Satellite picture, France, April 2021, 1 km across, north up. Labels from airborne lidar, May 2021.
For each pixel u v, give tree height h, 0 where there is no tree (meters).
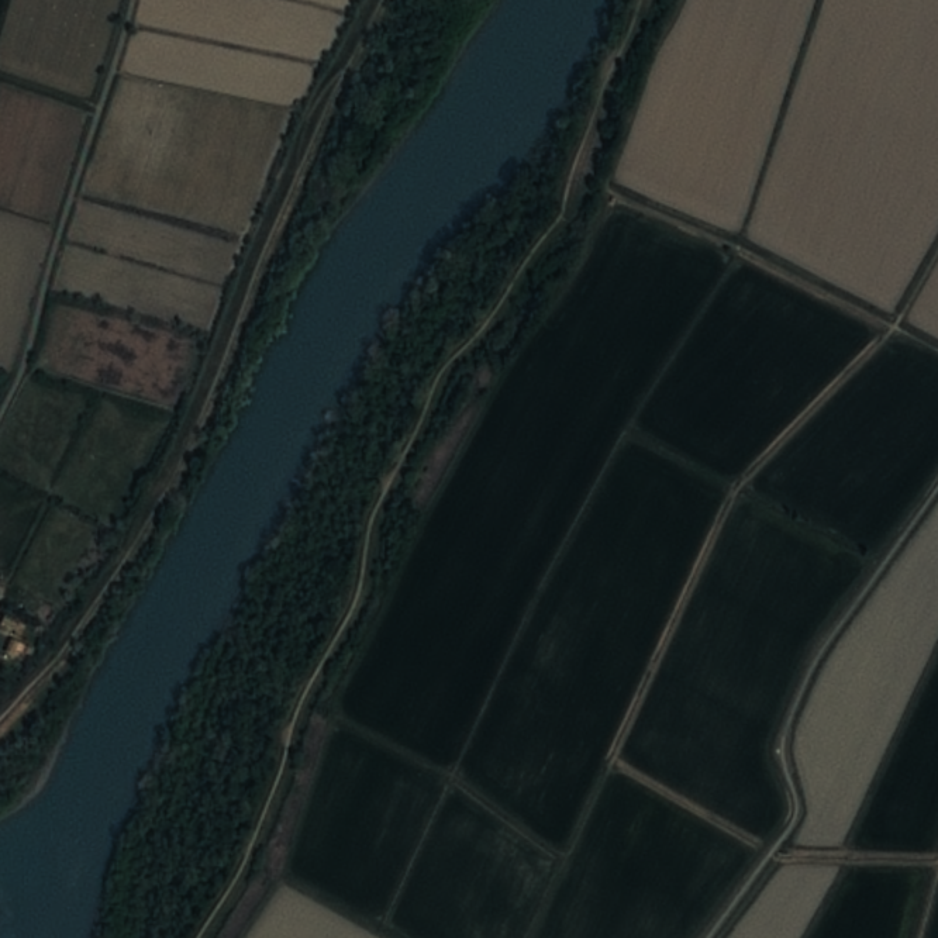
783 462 0
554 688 0
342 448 17
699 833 0
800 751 0
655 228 0
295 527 14
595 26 0
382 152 8
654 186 0
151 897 17
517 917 0
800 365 0
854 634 0
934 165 0
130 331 0
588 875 0
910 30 0
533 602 0
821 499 0
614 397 0
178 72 0
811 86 0
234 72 0
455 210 0
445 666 0
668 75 0
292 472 0
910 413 0
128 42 0
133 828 10
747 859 0
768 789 0
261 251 0
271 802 0
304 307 0
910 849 0
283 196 0
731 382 0
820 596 0
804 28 0
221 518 0
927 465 0
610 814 0
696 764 0
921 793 0
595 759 0
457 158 0
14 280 0
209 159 0
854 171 0
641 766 0
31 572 0
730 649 0
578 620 0
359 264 0
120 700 0
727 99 0
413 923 0
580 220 7
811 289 0
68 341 0
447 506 0
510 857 0
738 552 0
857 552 0
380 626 0
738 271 0
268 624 12
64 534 0
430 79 10
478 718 0
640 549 0
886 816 0
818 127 0
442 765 0
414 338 15
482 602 0
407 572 0
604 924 0
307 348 0
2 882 0
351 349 0
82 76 0
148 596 0
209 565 0
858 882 0
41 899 0
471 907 0
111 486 0
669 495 0
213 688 9
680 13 0
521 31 0
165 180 0
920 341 0
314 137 0
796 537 0
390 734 0
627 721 0
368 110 29
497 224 11
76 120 0
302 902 0
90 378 0
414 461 15
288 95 0
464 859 0
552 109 0
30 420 0
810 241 0
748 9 0
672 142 0
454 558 0
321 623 24
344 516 22
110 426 0
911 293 0
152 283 0
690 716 0
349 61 0
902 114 0
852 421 0
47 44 0
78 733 0
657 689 0
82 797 0
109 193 0
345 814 0
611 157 15
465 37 10
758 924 0
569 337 0
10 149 0
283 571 11
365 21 0
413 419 17
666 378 0
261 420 0
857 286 0
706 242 0
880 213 0
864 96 0
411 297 19
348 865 0
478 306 16
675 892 0
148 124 0
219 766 20
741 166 0
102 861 0
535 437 0
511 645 0
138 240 0
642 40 11
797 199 0
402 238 0
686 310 0
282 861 0
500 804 0
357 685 0
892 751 0
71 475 0
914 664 0
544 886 0
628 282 0
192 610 0
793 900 0
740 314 0
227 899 0
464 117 0
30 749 16
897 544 0
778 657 0
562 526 0
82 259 0
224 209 0
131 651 0
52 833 0
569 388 0
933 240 0
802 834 0
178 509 16
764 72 0
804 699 0
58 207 0
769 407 0
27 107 0
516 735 0
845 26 0
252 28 0
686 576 0
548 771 0
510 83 0
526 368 0
